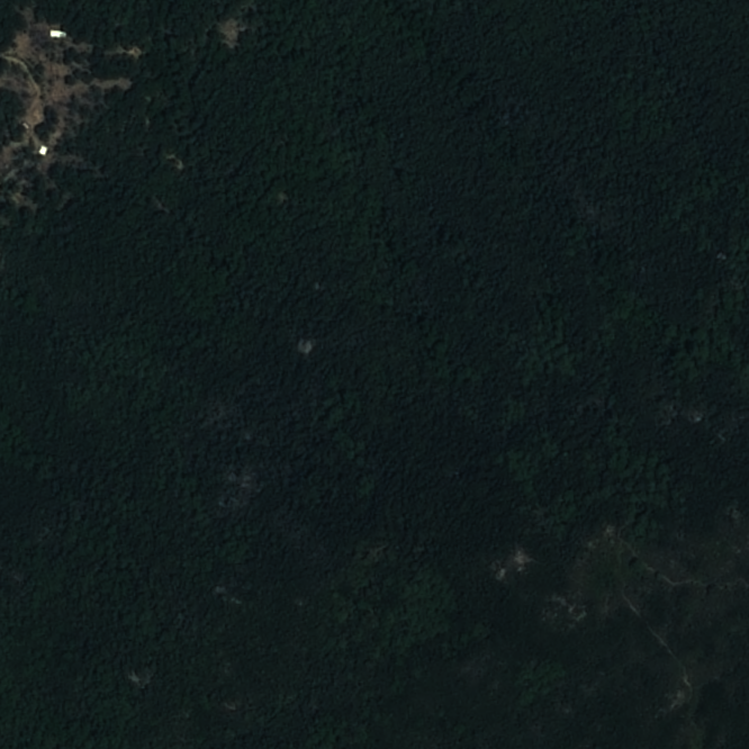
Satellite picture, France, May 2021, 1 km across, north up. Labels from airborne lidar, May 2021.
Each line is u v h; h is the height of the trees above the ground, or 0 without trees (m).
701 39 12
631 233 9
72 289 7
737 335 13
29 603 10
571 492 13
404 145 10
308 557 6
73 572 10
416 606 20
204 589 10
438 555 9
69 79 14
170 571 11
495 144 9
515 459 13
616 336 10
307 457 8
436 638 8
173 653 11
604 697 6
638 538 11
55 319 8
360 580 11
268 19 10
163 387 7
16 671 8
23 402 8
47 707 9
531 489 13
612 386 9
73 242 11
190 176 11
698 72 13
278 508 9
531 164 16
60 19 14
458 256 16
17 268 7
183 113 20
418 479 13
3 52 9
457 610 9
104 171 13
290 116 7
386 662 8
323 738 12
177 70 18
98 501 13
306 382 8
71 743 10
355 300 14
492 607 10
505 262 9
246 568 7
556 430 13
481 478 10
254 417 8
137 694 11
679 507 7
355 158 20
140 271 12
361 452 8
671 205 12
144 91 15
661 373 9
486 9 19
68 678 11
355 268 17
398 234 9
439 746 9
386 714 10
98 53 9
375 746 6
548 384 12
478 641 6
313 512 13
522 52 17
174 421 7
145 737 10
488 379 12
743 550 0
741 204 13
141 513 10
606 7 14
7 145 10
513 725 7
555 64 15
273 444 8
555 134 12
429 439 12
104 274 12
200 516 15
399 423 11
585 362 11
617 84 13
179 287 14
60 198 11
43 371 10
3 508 6
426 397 13
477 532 11
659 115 13
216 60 6
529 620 6
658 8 12
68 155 10
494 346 14
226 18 15
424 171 9
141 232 14
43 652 12
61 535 8
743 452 9
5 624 11
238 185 13
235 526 14
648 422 9
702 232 15
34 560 18
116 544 11
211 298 6
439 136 9
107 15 13
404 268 17
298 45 13
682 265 11
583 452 12
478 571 7
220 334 13
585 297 9
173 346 10
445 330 12
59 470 13
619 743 6
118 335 17
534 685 16
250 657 11
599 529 7
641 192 14
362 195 11
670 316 8
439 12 15
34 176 22
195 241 15
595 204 8
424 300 14
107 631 11
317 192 11
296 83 8
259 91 7
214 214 7
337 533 11
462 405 16
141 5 16
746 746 9
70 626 9
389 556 12
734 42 16
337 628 8
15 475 6
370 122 14
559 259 8
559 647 6
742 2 11
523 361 12
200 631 9
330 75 14
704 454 9
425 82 12
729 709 6
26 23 11
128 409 11
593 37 13
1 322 7
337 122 11
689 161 13
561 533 13
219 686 10
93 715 13
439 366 15
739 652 6
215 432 7
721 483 11
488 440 8
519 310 12
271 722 11
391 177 8
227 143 10
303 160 18
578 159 8
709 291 10
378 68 9
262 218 13
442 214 10
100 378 8
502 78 6
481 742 7
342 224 9
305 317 10
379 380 7
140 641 15
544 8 13
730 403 8
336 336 9
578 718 6
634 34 17
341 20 16
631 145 13
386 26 9
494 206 9
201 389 8
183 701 14
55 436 13
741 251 12
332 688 11
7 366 11
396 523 9
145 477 11
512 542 7
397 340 13
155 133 7
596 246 17
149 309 12
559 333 17
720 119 13
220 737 11
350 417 11
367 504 9
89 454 7
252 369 12
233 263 17
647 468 14
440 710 11
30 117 0
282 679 6
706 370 8
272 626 7
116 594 15
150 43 17
